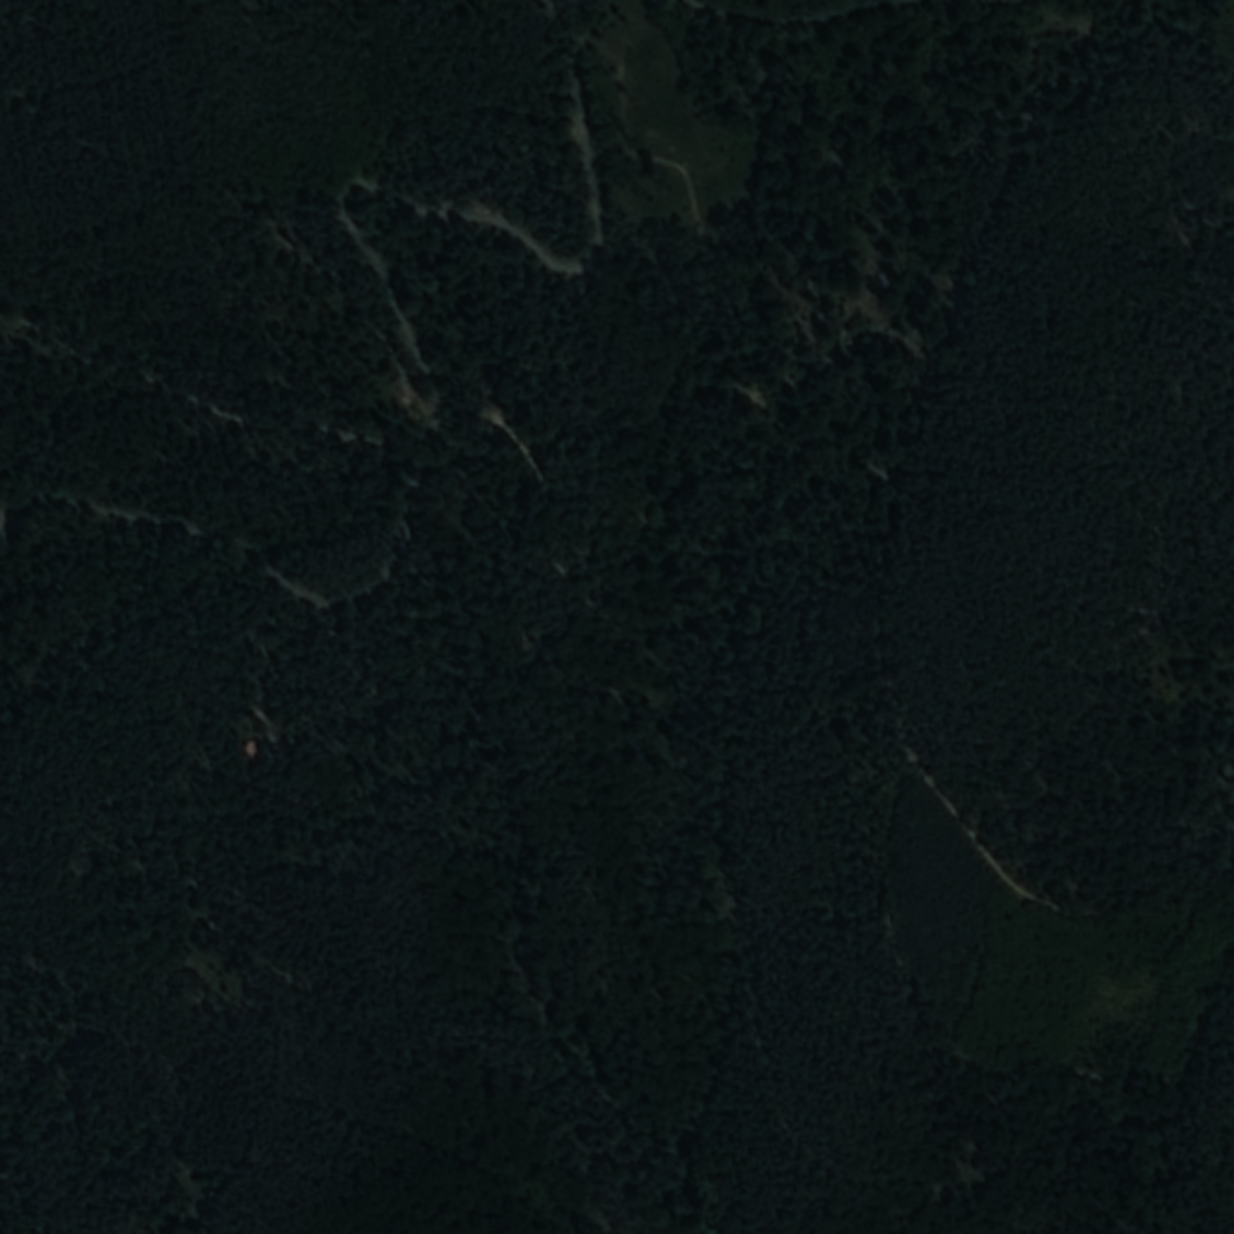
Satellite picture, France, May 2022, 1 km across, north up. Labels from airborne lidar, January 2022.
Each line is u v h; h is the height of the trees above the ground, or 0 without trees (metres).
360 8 15
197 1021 19
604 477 18
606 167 22
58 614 25
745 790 25
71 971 25
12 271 20
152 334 21
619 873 28
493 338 15
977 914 6
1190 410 11
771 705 28
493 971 22
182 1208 24
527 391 27
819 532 29
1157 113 18
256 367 23
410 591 16
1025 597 20
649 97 0
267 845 17
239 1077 24
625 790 27
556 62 14
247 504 29
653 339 28
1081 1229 22
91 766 21
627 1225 17
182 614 24
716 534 37
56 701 27
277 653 21
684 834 37
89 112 20
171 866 23
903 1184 19
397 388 23
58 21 19
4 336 16
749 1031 24
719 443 36
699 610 34
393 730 31
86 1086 23
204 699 18
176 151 17
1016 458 25
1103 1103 23
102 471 21
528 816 27
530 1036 34
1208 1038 25
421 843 22
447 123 9
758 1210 24
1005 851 13
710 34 20
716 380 35
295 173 20
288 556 19
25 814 20
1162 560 23
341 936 24
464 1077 25
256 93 16
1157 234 18
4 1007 7
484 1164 29
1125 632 19
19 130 22
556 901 24
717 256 27
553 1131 22
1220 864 29
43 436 28
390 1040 27
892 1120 17
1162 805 23
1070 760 24
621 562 11
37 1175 27
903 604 22
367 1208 27
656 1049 23
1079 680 19
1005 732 21
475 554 27
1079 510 21
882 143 11
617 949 21
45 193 22
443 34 12
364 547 24
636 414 26
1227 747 29
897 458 30
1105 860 24
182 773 18
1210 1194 27
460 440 28
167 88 21
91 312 23
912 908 8
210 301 18
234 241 22
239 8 11
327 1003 17
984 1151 16
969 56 26
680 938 31
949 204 13
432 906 22
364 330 21
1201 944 17
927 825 7
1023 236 18
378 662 26
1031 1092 22
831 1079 20
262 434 24
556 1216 28
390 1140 25
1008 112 28
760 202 15
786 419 29
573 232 15
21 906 21
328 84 12
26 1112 27
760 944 24
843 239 31
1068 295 21
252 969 24
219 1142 25
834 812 25
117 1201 25
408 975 24
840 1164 18
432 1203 25
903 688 22
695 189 0
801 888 19
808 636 19
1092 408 13
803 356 31
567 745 25
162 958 18
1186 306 11
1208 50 25
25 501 15
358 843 26
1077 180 18
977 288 25
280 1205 24
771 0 13
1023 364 22
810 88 17
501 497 31
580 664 23
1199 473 22
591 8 20
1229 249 11
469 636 36
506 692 21
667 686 29
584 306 17
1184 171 11
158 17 21
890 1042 26
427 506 22
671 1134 32
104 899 25
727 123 27
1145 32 26
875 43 13
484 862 27
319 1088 21
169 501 13
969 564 24
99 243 16
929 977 8
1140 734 22
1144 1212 34
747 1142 24
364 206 22
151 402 20
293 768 21
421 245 26
